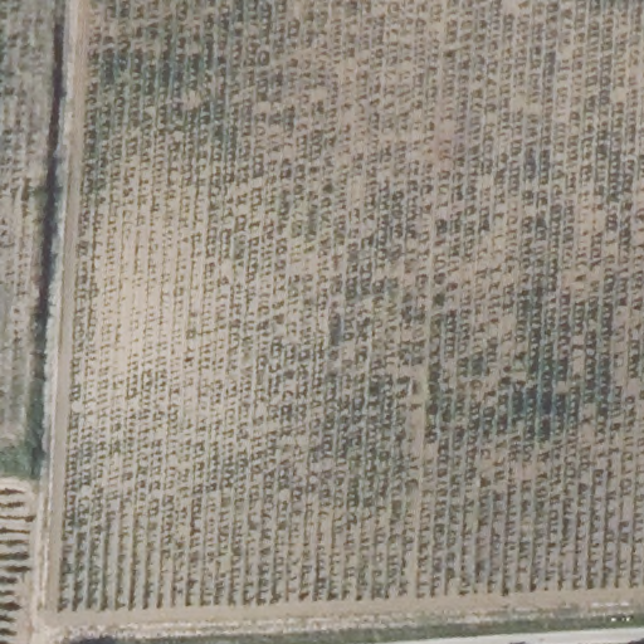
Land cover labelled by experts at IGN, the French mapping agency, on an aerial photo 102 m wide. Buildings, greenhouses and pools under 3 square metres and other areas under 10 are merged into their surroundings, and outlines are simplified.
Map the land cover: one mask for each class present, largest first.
<instances>
[{"label":"vineyard","instance_id":"1","mask_svg":"<svg viewBox=\"0 0 644 644\"><path fill-rule=\"evenodd\" d=\"M53 0H0V448L25 440L28 430L33 382L30 322L38 302L40 257L38 206L45 201V189L40 184L45 176L50 123ZM81 33L78 38H70L65 33V96L60 106L58 138L60 199L58 231L53 239V272L60 277V325L53 327L48 322L43 390V450L48 455L40 465L38 480L0 478V644H38L33 639L30 611L25 606L30 604L35 589H43L45 601H38L40 611H65V599H73V609H93L96 586H103V611L131 609H148V601H156V609L164 606L166 574H171V606H176V596H184V606H234L236 591H242V604H277L297 599H390V589H397L400 596L408 594L415 599H425L423 589H430V596H438V581H445V594H450L453 579H460L458 596L478 594V584H486L491 594L503 596L536 589L548 591V581L558 584V589H606L621 584V571H629V586H644V0H81Z\"/></svg>","mask_w":644,"mask_h":644},{"label":"plowed land","instance_id":"2","mask_svg":"<svg viewBox=\"0 0 644 644\"><path fill-rule=\"evenodd\" d=\"M81 0H68L65 33L70 38H78L81 33ZM48 322L53 327L60 325V277L53 272ZM460 579H453L450 594H445V581H438V596H430V589H423L425 599H415L408 594L400 596L397 589H390V599H297L277 604H242V591H236L234 606H206L219 631L224 621L297 619L292 629L297 634H312L345 629H400L423 624L516 621L536 619V609L558 606H579V616L636 614L644 604V586H629V571H621V584L606 589H558V584L548 581V591L536 589L503 596L491 594L486 584H478V594L458 596ZM189 621V606H184V596H176V606H171V574H166L164 606L156 609V601H148V609H131V624H166ZM38 601H45L43 589H35L30 604L25 606L30 611L33 639L38 644H63L65 636L58 631V626L45 624V616L40 611Z\"/></svg>","mask_w":644,"mask_h":644},{"label":"herbaceous vegetation","instance_id":"3","mask_svg":"<svg viewBox=\"0 0 644 644\"><path fill-rule=\"evenodd\" d=\"M103 586H96L93 609H73V599H65V611H40L45 616V624L58 626V631L65 636L63 644H455L453 636L478 634L644 626V604L636 614L579 616V606H558L536 609V619L516 621L423 624L400 629H345L312 634H297L292 629L297 619L224 621L219 631L206 606H189V621L166 624H131V609L103 611Z\"/></svg>","mask_w":644,"mask_h":644},{"label":"brushwood","instance_id":"4","mask_svg":"<svg viewBox=\"0 0 644 644\"><path fill-rule=\"evenodd\" d=\"M68 0H53L50 123L45 176L40 184L45 189V201L38 206L40 257L38 302L30 322L33 382L28 430L25 440L0 448V478L38 480L40 465L48 455L43 450V390L48 322L53 272V239L58 231L60 199L58 138L60 106L65 96V33Z\"/></svg>","mask_w":644,"mask_h":644},{"label":"impervious surface","instance_id":"5","mask_svg":"<svg viewBox=\"0 0 644 644\"><path fill-rule=\"evenodd\" d=\"M455 644H644V626L478 634L453 636Z\"/></svg>","mask_w":644,"mask_h":644}]
</instances>
